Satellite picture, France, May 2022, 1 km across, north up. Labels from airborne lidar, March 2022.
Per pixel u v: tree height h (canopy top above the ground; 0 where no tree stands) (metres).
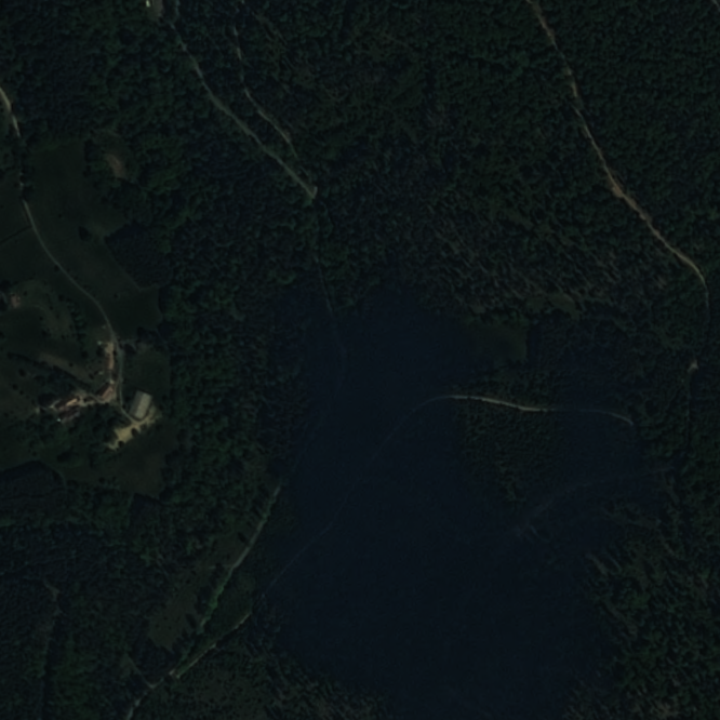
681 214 30
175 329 33
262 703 7
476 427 8
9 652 25
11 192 0
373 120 10
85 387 10
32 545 27
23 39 14
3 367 0
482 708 29
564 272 32
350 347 23
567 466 12
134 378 0
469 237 28
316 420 31
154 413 0
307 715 9
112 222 0
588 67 28
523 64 28
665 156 30
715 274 16
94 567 33
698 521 30
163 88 31
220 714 9
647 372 8
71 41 32
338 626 36
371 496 31
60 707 30
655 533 6
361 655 6
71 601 29
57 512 23
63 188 0
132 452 0
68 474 0
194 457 21
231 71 33
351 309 29
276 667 18
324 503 8
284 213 38
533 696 33
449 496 30
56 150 0
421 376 6
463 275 32
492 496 6
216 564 0
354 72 34
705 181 26
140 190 17
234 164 31
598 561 0
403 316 33
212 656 8
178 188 27
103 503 25
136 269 17
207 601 26
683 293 20
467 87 28
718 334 18
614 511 25
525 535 0
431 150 9
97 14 29
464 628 29
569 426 10
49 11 27
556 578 0
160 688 0
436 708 33
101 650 33
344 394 8
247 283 38
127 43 34
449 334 0
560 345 27
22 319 0
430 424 7
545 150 6
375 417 8
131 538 32
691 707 16
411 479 29
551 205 19
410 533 0
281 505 7
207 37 28
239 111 30
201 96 21
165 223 31
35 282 0
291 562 0
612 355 31
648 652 27
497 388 10
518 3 26
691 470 26
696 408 19
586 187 24
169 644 0
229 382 40
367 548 32
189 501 31
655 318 13
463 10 32
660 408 20
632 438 7
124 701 35
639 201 27
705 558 32
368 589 38
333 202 34
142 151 17
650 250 29
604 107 32
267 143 37
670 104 25
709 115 28
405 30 27
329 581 37
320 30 25
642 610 36
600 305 0
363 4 28
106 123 35
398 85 26
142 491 0
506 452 7
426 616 38
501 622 5
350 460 7
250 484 8
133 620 31
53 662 31
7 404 0
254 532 22
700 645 26
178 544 16
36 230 0
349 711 29
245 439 36
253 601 9
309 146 9
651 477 7
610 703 6
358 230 34
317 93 8
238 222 38
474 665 28
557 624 29
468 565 8
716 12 22
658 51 24
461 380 26
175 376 15
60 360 0
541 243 36
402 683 6
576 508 10
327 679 25
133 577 25
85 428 7
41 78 25
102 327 0
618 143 30
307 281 28
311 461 10
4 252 0
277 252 30
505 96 32
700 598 7
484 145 29
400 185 31
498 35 29
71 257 0
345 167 31
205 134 36
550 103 32
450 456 7
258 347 36
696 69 27
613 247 29
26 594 29
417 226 33
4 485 26
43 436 15
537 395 8
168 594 23
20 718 32
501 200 5
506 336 0
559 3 28
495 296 29
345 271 24
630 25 25
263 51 29
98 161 25
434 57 30
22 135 12
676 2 25
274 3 28
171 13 27
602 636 35
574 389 13
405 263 33
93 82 29
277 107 31
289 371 27
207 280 34
